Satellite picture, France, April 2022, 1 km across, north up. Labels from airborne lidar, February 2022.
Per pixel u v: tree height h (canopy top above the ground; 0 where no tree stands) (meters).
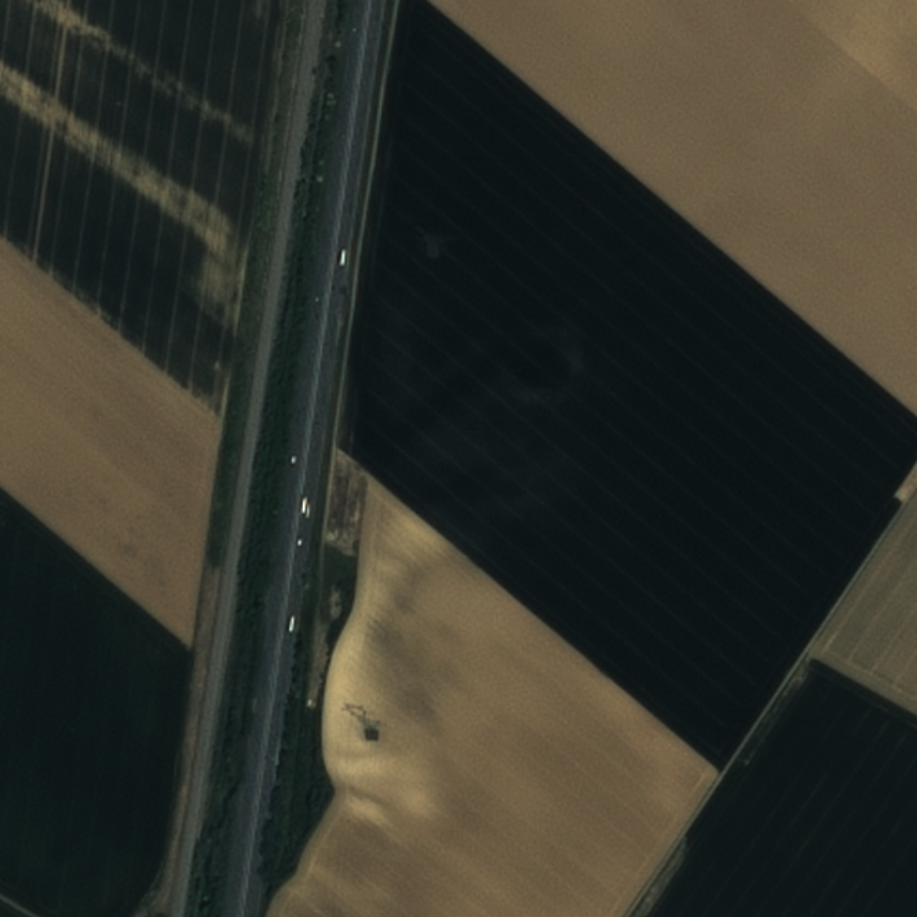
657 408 0
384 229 0
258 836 0
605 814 0
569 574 0
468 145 0
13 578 0
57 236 0
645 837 0
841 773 0
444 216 0
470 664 0
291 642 0
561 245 0
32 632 0
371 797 0
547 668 0
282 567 0
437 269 0
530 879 0
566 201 0
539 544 0
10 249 0
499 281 0
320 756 7
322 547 0
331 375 0
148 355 0
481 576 0
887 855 0
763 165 0
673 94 0
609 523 0
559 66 0
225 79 0
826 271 0
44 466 0
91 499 0
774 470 0
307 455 0
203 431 0
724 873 0
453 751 0
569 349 0
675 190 0
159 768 0
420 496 0
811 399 0
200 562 0
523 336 0
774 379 0
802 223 0
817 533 0
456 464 0
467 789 0
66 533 0
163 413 0
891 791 0
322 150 8
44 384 0
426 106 0
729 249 0
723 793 0
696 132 0
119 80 0
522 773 0
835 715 0
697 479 0
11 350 0
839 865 0
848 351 0
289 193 0
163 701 0
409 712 0
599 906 0
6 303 0
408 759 0
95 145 0
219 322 0
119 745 0
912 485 0
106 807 0
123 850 0
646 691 0
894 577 0
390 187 0
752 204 0
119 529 0
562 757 0
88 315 0
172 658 0
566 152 0
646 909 0
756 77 0
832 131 0
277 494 8
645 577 0
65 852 0
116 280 0
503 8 0
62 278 0
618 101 0
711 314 0
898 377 0
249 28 0
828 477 0
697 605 0
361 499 0
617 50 0
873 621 0
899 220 0
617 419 0
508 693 0
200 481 0
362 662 0
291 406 7
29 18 0
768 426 0
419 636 0
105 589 0
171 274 0
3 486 0
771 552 0
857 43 0
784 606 0
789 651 0
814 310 0
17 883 0
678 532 0
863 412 0
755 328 0
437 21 0
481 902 0
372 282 0
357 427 0
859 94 0
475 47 0
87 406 0
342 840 0
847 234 0
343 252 0
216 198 0
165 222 0
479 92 0
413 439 0
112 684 0
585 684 0
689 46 0
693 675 0
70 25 0
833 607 0
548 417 0
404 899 0
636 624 0
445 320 0
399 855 0
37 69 0
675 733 0
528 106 0
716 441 0
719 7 0
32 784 0
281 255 0
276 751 0
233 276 0
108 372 0
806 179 0
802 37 0
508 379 0
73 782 0
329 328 0
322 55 0
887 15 0
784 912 0
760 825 0
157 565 0
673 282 0
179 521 0
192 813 0
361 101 0
